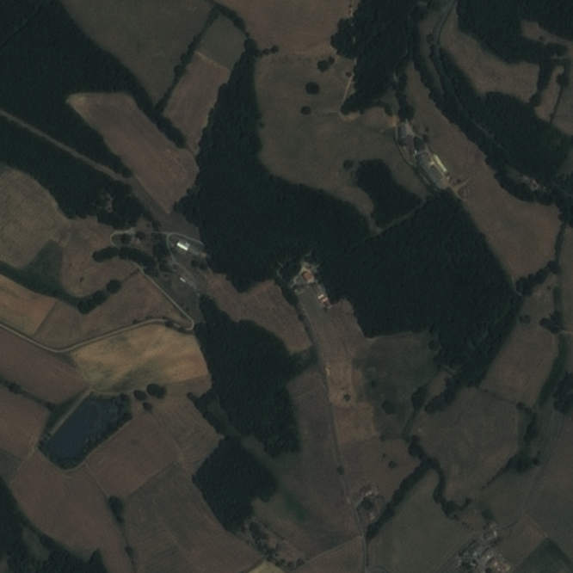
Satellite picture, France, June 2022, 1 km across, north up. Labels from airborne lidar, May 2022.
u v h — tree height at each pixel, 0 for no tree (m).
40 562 10
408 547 0
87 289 0
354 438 0
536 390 0
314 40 0
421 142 12
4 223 0
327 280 14
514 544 0
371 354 0
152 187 0
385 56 16
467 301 16
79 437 0
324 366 0
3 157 12
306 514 0
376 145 0
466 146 0
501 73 0
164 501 0
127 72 12
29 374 0
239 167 17
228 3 0
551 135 6
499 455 0
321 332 0
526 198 13
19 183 0
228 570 0
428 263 16
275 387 16
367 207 0
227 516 14
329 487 0
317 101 0
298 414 0
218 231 19
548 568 0
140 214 16
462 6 19
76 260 0
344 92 0
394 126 0
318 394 0
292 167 0
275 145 0
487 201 0
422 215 18
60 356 0
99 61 22
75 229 0
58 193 16
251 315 0
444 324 19
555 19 26
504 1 19
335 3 0
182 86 0
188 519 0
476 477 0
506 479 0
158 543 0
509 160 18
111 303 0
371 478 0
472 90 15
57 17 20
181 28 0
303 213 22
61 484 0
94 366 0
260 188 18
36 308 0
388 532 0
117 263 0
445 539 0
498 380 0
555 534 0
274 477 19
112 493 0
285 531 0
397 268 19
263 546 10
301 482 0
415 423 0
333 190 0
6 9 20
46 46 19
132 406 0
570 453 0
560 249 8
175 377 0
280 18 0
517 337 0
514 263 0
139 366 0
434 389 0
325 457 0
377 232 0
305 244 17
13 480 0
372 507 12
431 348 11
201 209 18
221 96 13
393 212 10
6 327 0
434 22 0
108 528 0
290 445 11
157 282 0
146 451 0
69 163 17
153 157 0
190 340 0
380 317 22
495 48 17
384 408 10
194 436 0
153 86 0
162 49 0
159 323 0
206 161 16
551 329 21
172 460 0
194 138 0
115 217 18
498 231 0
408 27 17
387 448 0
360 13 19
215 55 0
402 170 0
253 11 0
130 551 20
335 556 0
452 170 0
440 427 0
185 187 0
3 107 14
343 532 0
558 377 6
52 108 19
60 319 0
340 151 0
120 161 14
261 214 17
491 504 0
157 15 0
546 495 0
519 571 0
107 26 0
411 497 0
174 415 0
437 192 8
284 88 0
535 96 12
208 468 16
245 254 20
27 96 18
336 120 0
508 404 0
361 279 17
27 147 16
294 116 0
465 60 0
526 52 17
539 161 16
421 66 22
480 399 0
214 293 0
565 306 0
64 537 0
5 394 0
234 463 19
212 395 18
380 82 17
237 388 21
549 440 0
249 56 13
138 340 0
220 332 19
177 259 0
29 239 0
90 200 17
